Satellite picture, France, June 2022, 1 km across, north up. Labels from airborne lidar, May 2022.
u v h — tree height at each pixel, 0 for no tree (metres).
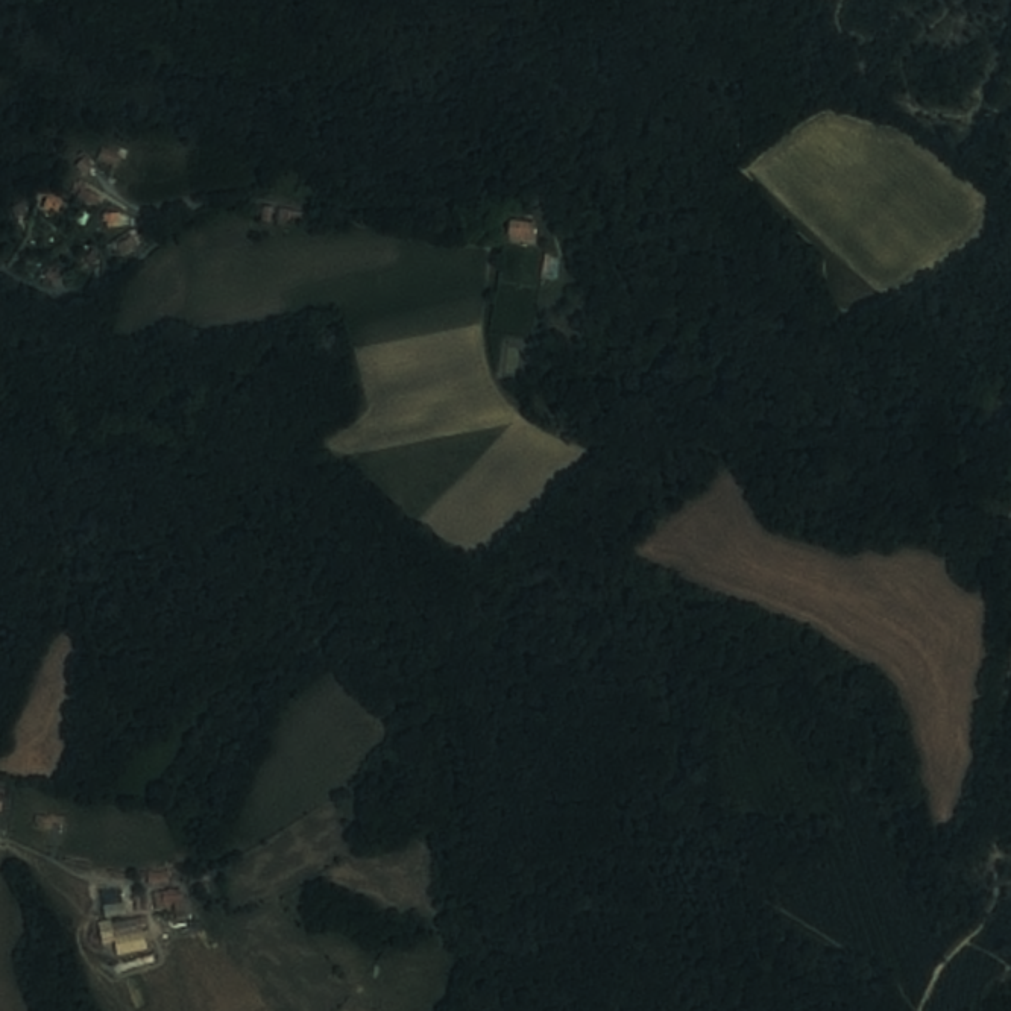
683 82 25
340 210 15
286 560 23
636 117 15
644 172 26
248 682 19
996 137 26
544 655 20
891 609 0
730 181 26
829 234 0
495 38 7
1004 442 30
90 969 0
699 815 22
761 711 19
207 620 18
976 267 24
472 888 28
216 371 32
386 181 9
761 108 20
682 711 25
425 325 0
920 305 16
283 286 0
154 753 0
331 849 0
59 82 9
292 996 0
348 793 12
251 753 22
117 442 17
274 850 0
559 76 24
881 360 22
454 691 25
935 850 22
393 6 23
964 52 6
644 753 24
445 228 15
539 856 27
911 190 0
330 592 20
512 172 15
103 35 14
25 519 15
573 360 18
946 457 37
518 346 0
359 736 0
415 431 0
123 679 27
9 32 16
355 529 25
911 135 18
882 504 17
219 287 0
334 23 27
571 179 21
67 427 29
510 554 18
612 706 23
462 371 0
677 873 15
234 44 16
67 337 23
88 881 0
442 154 18
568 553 28
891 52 7
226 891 13
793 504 21
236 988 0
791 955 19
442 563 25
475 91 16
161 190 0
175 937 0
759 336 25
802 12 12
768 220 19
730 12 19
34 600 21
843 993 22
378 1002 0
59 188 14
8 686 28
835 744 25
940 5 16
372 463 0
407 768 25
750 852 23
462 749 28
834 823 13
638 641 19
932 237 0
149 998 0
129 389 23
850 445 23
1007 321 18
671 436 25
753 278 26
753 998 20
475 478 0
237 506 10
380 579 28
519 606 20
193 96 17
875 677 21
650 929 18
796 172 0
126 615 22
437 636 23
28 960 17
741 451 28
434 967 0
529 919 21
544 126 21
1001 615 16
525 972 24
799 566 0
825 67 16
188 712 7
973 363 17
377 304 0
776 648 26
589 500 27
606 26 23
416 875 0
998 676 9
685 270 29
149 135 7
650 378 27
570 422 21
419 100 16
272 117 26
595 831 25
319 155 26
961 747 0
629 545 21
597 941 21
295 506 29
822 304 23
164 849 0
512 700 19
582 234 21
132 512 21
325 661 20
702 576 0
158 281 0
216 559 27
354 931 12
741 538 0
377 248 0
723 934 20
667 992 23
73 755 18
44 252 11
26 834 0
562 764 23
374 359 0
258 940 0
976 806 17
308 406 22
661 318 28
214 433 29
